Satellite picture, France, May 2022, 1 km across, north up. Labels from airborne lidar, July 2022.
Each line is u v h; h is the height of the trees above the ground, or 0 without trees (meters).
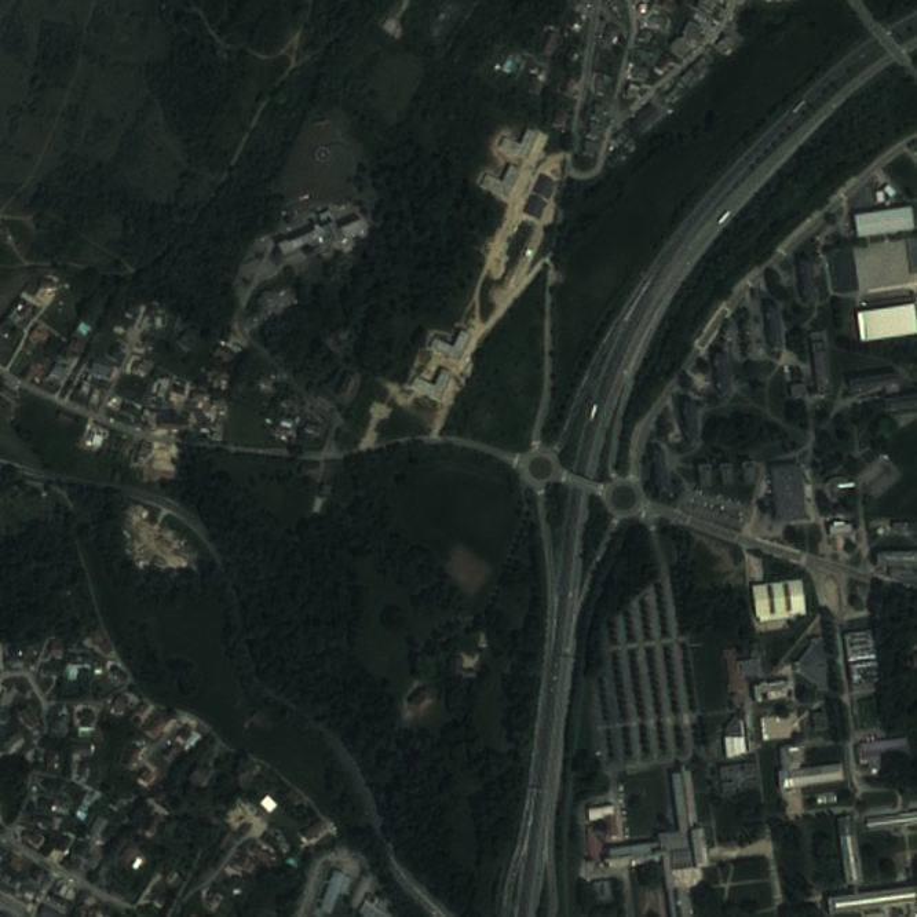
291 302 0
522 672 19
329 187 0
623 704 11
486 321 0
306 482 14
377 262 25
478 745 21
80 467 0
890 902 0
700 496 0
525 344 0
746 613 14
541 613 13
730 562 0
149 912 13
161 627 0
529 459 0
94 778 0
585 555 8
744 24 17
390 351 29
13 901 0
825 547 0
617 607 15
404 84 0
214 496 18
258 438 0
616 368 0
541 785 0
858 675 0
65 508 9
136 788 6
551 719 0
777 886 0
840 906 0
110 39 0
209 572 26
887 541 0
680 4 12
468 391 8
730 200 0
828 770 0
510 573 14
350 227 0
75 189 7
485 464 12
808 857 0
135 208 9
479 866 9
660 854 0
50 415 0
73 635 9
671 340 11
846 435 17
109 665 0
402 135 8
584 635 11
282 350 17
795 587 0
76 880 0
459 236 16
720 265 7
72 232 11
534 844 0
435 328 0
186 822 19
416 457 22
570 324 0
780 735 0
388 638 0
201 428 0
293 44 0
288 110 13
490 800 23
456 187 6
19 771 10
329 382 8
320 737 18
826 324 0
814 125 0
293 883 17
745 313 9
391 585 0
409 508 0
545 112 10
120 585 14
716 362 0
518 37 9
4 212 0
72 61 6
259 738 0
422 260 9
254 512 26
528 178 0
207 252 13
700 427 0
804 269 0
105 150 0
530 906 0
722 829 0
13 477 15
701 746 6
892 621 26
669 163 0
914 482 0
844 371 0
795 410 19
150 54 0
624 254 0
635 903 0
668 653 9
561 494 6
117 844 12
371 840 23
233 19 17
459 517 0
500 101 14
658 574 13
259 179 8
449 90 11
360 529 21
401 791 23
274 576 26
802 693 15
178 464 12
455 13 7
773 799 0
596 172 0
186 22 18
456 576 0
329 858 0
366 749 19
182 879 21
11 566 10
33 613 17
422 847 28
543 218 0
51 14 0
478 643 0
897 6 9
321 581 31
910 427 0
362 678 9
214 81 17
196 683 22
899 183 0
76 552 13
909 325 0
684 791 0
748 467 0
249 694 16
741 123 0
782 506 0
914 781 19
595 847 0
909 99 9
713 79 0
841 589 0
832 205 0
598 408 0
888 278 0
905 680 13
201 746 10
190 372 0
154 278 15
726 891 0
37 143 0
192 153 8
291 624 27
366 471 18
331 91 9
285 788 7
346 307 20
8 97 0
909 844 0
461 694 20
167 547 0
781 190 10
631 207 0
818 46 0
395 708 15
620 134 0
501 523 0
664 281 0
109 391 0
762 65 0
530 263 0
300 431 11
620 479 0
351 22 11
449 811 20
